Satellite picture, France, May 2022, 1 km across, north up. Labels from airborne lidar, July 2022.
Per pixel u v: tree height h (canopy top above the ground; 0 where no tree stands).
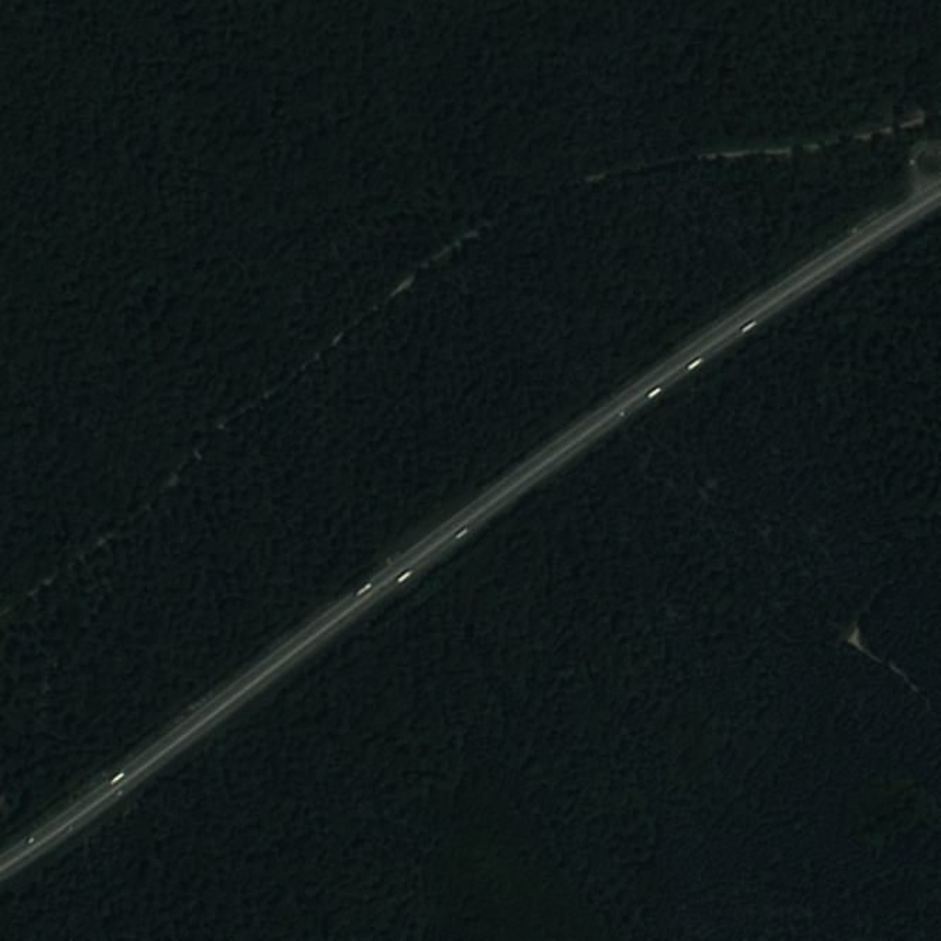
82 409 23
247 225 24
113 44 19
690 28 23
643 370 12
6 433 20
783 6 20
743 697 16
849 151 21
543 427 13
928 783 20
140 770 0
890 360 17
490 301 21
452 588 17
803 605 17
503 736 19
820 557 21
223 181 20
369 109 19
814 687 21
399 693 19
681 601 23
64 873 15
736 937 22
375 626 13
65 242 20
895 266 21
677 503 16
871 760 22
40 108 20
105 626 10
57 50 11
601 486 17
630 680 19
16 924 16
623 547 10
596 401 9
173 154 22
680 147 15
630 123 17
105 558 21
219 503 20
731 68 20
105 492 24
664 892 22
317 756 20
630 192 22
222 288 20
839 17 18
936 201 0
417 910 16
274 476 18
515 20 20
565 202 17
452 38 20
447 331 19
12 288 22
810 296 0
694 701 16
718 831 25
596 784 17
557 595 14
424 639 24
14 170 17
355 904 18
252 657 13
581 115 18
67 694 17
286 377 17
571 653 19
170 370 27
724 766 26
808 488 23
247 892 16
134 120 19
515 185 23
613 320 22
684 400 13
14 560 29
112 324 24
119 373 21
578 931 10
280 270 18
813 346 18
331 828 17
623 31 20
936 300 23
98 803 0
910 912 20
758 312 0
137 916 18
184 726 0
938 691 23
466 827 7
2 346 16
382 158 17
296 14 17
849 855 23
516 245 22
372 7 17
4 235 19
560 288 21
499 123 22
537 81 18
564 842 25
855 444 15
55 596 20
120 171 18
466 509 0
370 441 16
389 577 0
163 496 15
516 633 18
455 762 20
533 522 22
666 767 18
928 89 8
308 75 21
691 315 16
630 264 20
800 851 20
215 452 21
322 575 24
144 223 21
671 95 23
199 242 16
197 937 20
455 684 18
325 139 20
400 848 12
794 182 18
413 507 16
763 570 21
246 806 18
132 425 22
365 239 17
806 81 13
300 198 23
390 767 19
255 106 23
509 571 20
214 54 23
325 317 15
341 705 23
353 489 9
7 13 16
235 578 14
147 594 15
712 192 25
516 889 8
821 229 20
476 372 18
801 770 25
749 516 19
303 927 15
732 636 13
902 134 20
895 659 24
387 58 20
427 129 22
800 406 15
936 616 26
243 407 18
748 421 23
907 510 26
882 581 6
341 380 18
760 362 21
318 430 16
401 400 26
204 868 18
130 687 16
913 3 18
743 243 22
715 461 20
